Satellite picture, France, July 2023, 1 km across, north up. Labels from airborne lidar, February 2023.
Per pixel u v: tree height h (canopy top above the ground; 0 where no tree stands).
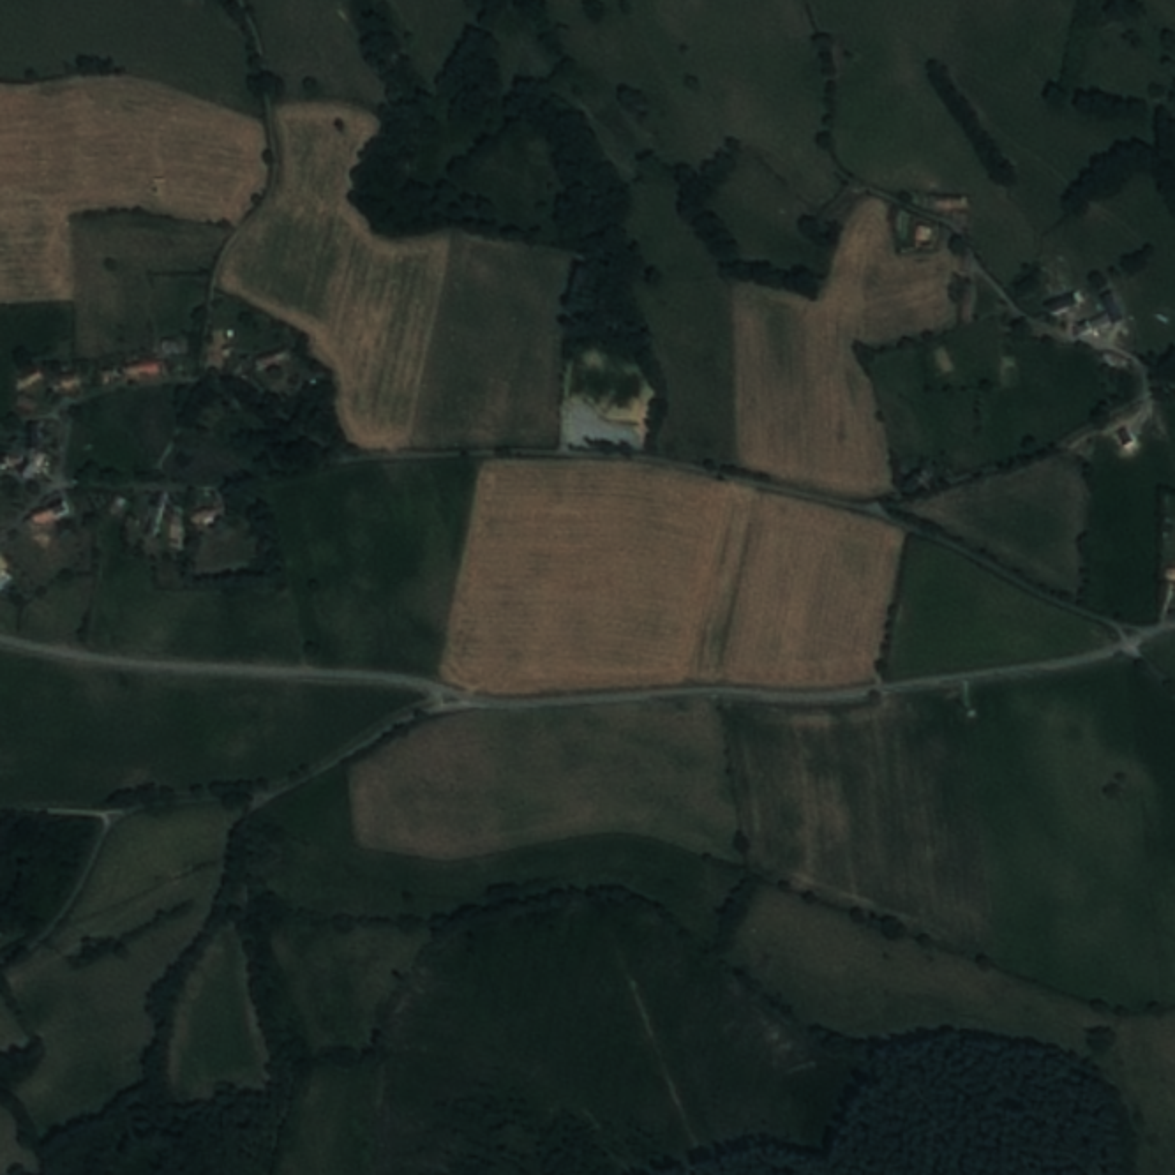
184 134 0
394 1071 0
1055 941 0
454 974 0
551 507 0
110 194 0
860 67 0
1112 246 0
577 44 0
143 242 0
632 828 0
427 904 0
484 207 15
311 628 0
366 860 0
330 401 10
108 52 0
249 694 0
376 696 0
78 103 0
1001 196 0
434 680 0
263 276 0
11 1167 0
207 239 0
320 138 0
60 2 0
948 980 0
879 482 0
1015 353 0
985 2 0
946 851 0
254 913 9
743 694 0
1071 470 0
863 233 0
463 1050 0
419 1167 0
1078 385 0
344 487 0
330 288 0
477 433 0
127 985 0
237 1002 0
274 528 17
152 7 0
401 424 0
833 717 0
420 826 0
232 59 0
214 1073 0
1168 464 0
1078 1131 33
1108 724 0
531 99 19
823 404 0
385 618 0
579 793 0
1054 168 0
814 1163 36
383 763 0
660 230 0
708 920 0
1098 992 0
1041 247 0
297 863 0
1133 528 0
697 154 0
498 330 0
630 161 0
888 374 0
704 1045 0
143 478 10
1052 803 0
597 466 0
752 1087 0
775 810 0
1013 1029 0
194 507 7
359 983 0
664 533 0
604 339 10
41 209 0
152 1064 16
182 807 0
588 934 0
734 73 0
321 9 0
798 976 0
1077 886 0
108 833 0
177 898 0
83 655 0
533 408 0
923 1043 16
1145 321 0
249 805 16
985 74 0
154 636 0
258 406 11
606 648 0
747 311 0
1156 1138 0
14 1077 14
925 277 0
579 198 17
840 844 0
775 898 0
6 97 0
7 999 10
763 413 0
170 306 0
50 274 0
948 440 0
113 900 0
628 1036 0
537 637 0
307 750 0
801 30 0
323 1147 0
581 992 0
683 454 0
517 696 0
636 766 0
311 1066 16
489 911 11
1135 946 0
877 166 0
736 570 0
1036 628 0
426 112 22
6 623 0
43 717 0
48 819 9
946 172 0
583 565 0
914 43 0
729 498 0
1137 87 0
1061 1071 32
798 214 0
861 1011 0
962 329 0
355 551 0
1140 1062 0
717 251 15
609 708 0
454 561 0
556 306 0
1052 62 0
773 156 0
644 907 17
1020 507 0
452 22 0
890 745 0
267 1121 19
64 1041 0
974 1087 42
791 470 0
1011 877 0
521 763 0
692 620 0
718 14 0
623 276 19
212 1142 18
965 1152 37
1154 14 0
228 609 0
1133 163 22
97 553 6
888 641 7
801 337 0
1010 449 0
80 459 0
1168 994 0
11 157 0
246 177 0
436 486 0
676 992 0
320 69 0
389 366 0
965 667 0
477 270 0
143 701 0
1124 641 0
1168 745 0
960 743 0
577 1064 0
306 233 0
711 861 10
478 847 0
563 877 0
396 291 0
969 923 0
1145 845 0
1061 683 0
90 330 0
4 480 6
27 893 12
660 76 0
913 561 0
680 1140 0
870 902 0
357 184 9
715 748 0
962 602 0
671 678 0
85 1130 18
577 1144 11
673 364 0
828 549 0
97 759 0
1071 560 0
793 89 0
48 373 7
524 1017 0
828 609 0
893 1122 36
